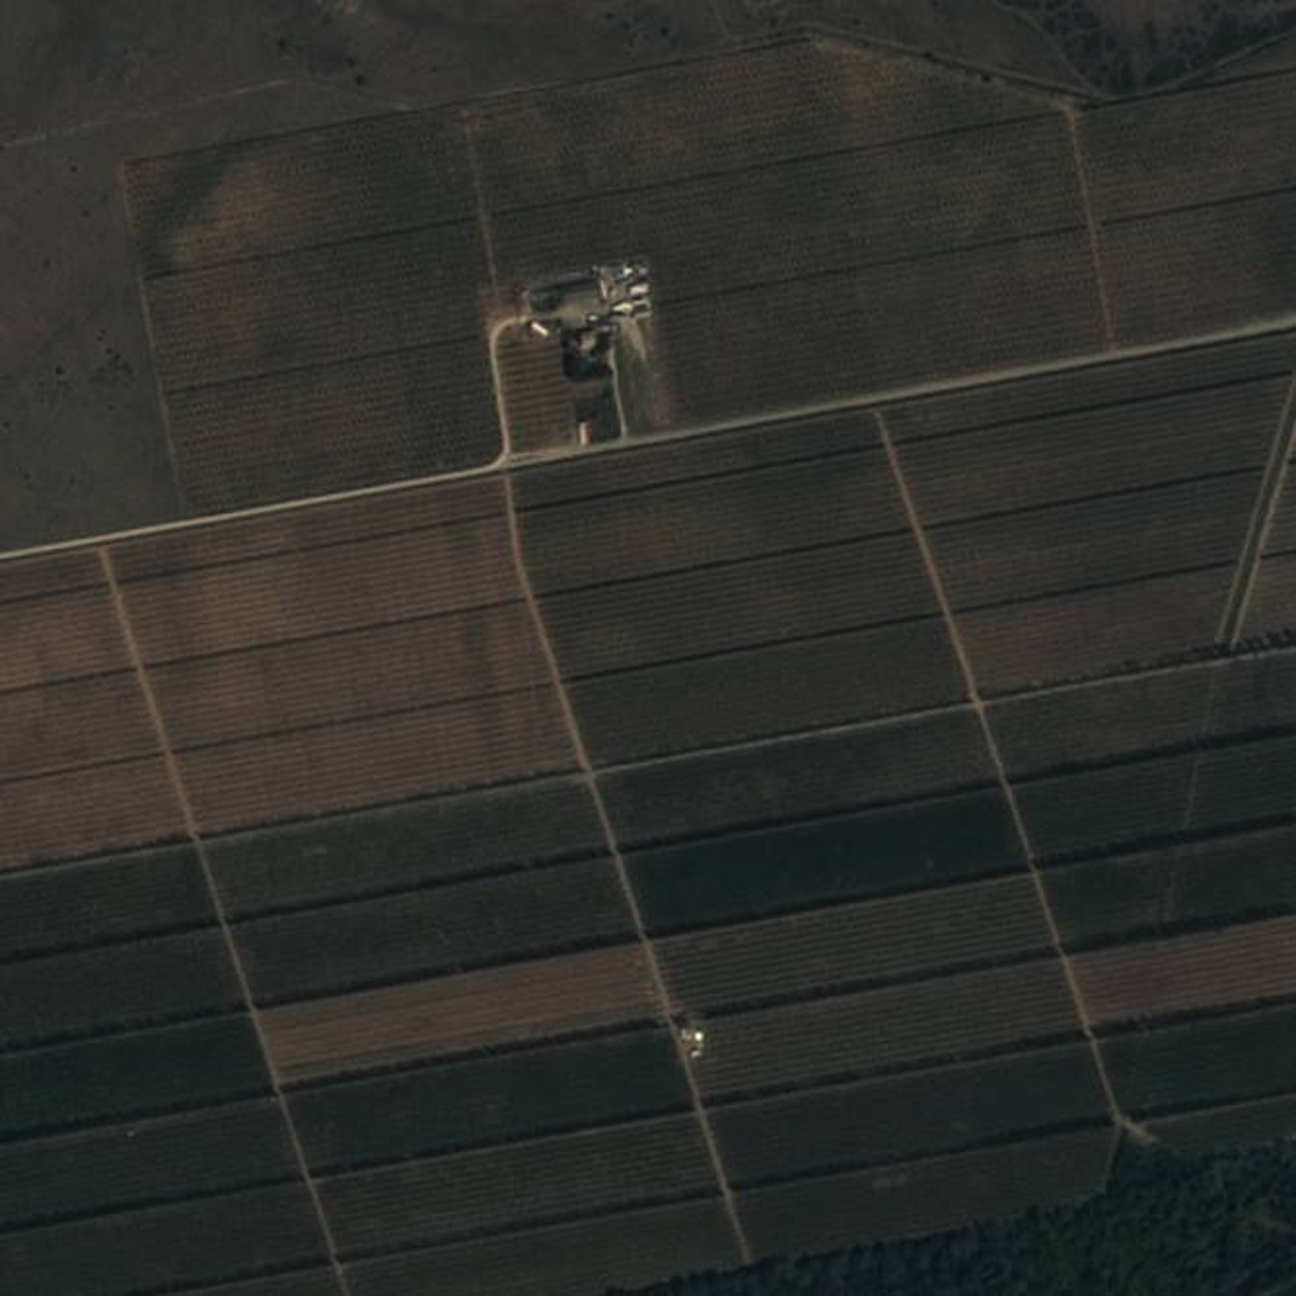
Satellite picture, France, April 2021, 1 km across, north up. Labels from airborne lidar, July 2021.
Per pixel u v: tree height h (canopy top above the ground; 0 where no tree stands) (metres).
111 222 0
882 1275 13
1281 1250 8
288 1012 0
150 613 0
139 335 0
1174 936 22
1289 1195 7
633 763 11
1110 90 0
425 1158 10
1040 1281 10
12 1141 15
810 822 14
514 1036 0
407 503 0
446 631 0
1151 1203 17
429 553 0
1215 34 0
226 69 0
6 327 0
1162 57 0
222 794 0
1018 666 0
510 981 0
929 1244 7
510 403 0
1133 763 17
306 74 0
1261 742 20
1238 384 8
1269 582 0
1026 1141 19
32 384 0
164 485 0
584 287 0
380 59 0
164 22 0
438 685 0
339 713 0
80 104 0
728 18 0
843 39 0
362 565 0
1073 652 0
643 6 0
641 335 0
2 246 0
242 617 0
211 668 0
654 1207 12
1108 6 0
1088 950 16
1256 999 0
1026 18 0
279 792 0
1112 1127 18
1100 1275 11
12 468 0
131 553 0
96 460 0
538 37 0
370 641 0
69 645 0
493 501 0
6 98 0
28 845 0
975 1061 12
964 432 7
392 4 0
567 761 0
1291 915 16
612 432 0
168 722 0
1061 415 7
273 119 0
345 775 0
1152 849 21
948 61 0
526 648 0
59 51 0
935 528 6
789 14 0
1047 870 15
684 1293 14
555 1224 12
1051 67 0
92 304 0
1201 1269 7
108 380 0
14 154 0
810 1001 14
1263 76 7
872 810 12
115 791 0
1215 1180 15
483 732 0
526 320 0
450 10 0
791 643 7
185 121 0
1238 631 0
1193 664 14
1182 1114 15
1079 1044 16
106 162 0
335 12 0
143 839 0
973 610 7
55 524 0
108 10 0
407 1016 0
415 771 0
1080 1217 13
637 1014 0
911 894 12
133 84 0
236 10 0
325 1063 0
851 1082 13
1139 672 18
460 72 0
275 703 0
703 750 10
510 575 0
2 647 0
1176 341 0
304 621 0
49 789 0
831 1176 11
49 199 0
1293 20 0
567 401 0
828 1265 10
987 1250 11
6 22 0
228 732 0
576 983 0
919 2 0
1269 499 0
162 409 0
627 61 0
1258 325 0
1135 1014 0
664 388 0
